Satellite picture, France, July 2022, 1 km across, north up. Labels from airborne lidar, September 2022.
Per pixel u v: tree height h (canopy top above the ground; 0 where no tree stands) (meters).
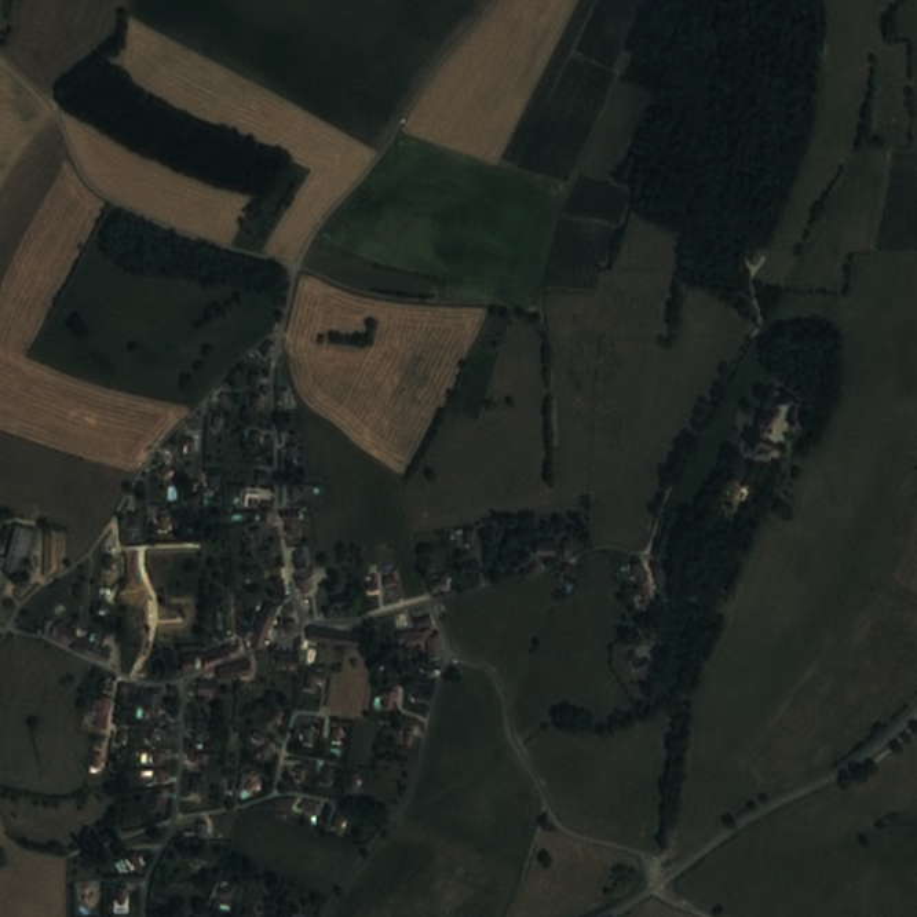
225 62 0
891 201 0
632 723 13
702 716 0
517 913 0
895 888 0
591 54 0
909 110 7
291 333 0
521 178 0
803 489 0
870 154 0
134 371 0
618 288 0
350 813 17
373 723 0
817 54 19
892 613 0
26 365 0
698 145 24
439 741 0
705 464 0
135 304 0
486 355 0
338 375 0
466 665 0
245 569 9
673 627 18
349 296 0
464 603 0
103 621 9
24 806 0
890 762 0
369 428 0
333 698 0
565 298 0
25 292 0
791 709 0
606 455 0
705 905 0
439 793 0
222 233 0
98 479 0
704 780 0
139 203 0
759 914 0
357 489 0
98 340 0
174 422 0
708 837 0
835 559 0
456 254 0
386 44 0
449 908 0
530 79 0
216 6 0
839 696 0
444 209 0
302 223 0
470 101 0
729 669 0
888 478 0
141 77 0
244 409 10
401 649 6
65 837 0
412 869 0
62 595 0
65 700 0
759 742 0
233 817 0
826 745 0
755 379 0
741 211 16
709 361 0
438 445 0
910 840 0
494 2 0
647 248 0
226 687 9
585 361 0
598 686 0
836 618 0
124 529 0
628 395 0
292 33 0
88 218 0
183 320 0
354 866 0
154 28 0
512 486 0
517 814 0
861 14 0
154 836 19
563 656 0
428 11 0
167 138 17
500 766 0
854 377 0
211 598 5
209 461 6
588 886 0
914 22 0
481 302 0
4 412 0
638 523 0
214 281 15
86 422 0
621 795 0
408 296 6
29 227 0
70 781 0
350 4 0
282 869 0
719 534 21
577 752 0
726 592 12
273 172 14
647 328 0
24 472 0
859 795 0
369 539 0
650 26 21
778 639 0
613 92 0
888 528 0
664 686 19
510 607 0
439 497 0
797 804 0
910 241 0
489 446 0
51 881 0
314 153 0
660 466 0
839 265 0
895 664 0
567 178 0
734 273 17
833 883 0
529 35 0
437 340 0
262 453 8
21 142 0
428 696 13
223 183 13
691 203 24
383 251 0
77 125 0
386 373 0
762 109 15
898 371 0
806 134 19
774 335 19
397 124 0
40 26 0
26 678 0
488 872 0
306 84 0
